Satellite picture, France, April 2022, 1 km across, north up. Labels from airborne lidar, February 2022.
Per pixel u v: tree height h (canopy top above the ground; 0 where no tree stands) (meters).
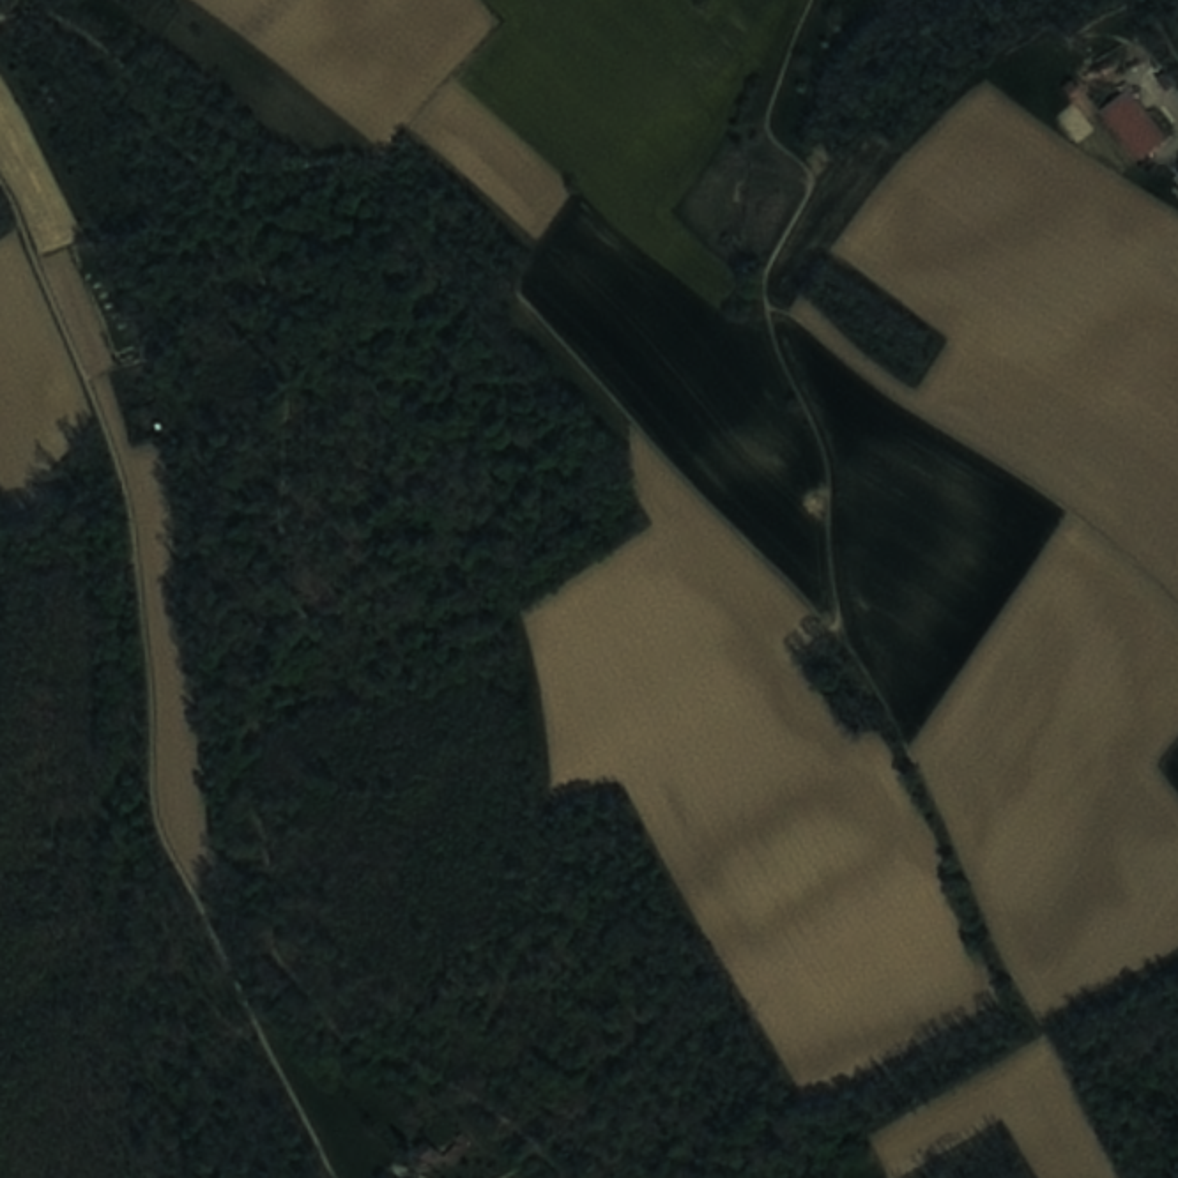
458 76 0
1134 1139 30
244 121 15
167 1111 15
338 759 12
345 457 20
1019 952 0
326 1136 0
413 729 19
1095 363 0
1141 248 0
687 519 0
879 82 25
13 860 23
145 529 0
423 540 30
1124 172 0
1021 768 0
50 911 17
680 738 0
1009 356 0
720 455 0
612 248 0
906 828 0
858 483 0
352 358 15
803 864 0
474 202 28
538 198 0
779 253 0
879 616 0
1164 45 19
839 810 0
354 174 18
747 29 0
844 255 0
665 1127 14
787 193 0
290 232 22
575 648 0
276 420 29
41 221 0
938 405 0
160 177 28
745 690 0
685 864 0
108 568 20
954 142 0
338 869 26
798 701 0
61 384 0
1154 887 0
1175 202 0
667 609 0
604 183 0
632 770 0
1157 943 0
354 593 31
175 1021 34
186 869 0
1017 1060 0
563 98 0
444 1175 0
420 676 23
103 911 17
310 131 0
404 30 0
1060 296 0
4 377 0
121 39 14
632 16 0
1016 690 0
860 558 0
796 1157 30
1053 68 0
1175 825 0
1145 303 0
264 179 21
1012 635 0
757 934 0
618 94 0
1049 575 0
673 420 0
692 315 0
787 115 0
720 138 0
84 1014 18
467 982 27
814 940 0
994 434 0
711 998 32
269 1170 22
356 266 28
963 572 0
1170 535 0
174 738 0
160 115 24
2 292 0
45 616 22
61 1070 19
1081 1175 0
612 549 16
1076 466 0
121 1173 21
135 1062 19
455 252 33
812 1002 0
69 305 0
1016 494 0
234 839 29
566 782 0
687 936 20
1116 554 0
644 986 14
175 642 0
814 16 0
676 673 0
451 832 17
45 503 26
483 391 25
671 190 0
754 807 0
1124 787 0
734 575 0
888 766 0
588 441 31
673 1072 33
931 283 0
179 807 0
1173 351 0
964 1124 0
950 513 0
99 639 25
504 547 32
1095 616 0
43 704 21
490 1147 0
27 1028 18
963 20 25
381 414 9
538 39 0
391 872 21
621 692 0
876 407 0
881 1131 0
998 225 0
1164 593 0
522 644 22
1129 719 0
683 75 0
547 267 0
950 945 0
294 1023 30
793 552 0
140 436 7
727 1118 14
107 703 23
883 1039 0
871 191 0
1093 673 0
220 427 33
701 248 0
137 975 31
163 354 31
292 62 0
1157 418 0
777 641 0
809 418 0
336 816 16
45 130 0
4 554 32
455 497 32
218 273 18
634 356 0
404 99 0
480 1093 25
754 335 0
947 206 0
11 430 0
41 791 19
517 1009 11
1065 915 0
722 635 0
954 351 0
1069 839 0
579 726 0
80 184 7
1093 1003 22
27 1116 23
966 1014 0
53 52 11
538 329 0
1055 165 0
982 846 0
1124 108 0
